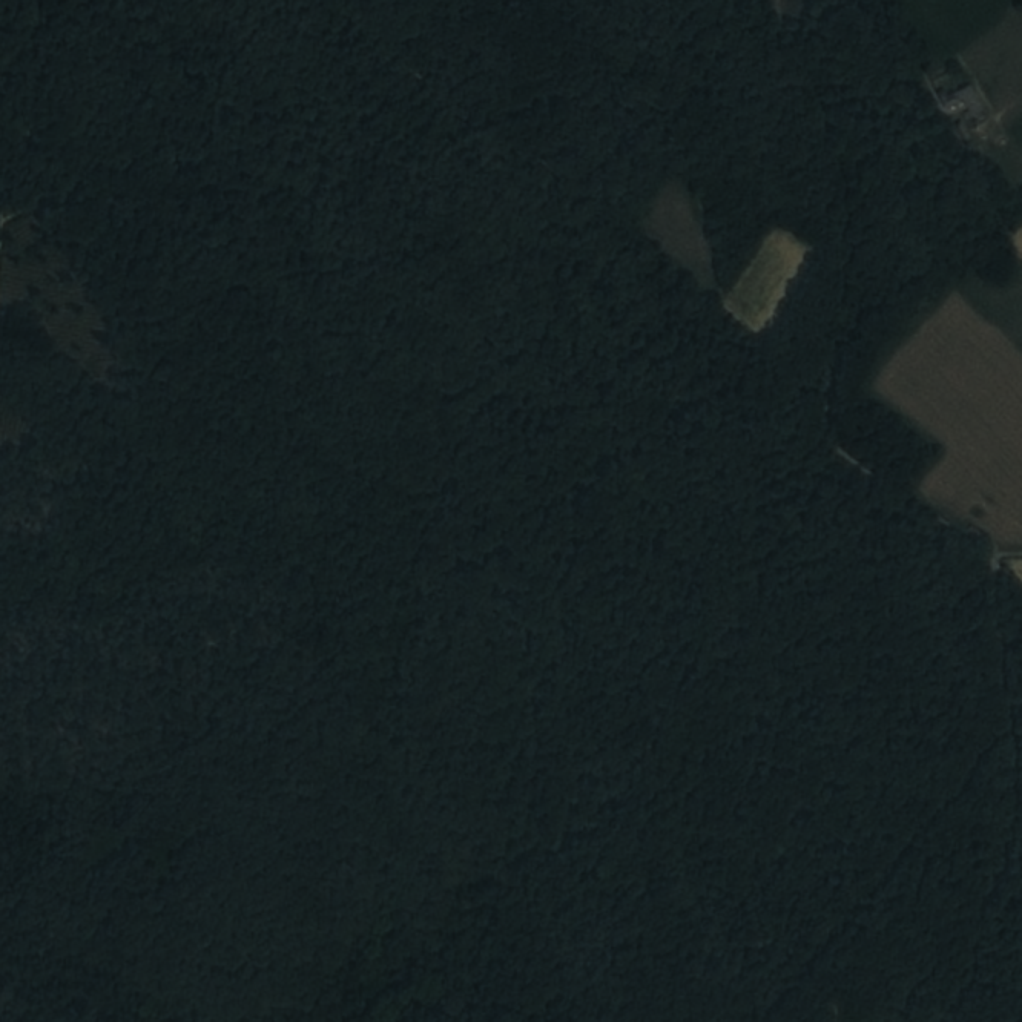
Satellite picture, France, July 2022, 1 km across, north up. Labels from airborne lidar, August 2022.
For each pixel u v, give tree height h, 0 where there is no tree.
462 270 22
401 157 16
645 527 26
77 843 21
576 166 25
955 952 26
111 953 28
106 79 26
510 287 27
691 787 23
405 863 32
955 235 26
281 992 29
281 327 25
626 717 24
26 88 27
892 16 19
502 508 30
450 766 25
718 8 29
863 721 26
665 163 21
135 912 16
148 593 17
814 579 21
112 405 27
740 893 28
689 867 24
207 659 21
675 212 0
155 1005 26
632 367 26
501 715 25
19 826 25
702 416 27
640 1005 28
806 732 26
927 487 0
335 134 22
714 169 17
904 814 24
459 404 29
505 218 23
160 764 24
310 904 17
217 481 26
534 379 24
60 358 20
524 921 29
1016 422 0
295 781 16
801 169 18
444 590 24
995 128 0
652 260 8
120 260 24
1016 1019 20
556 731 32
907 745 27
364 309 20
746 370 26
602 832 23
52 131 29
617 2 22
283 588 14
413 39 24
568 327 26
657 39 25
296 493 26
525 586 23
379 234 23
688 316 12
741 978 19
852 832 27
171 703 23
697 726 33
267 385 24
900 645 26
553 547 23
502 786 17
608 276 19
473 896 29
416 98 19
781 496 14
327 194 21
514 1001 27
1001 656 19
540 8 33
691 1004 27
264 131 22
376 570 21
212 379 21
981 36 0
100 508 26
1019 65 0
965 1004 23
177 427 25
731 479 26
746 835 27
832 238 22
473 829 22
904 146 16
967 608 23
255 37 25
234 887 21
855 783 28
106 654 21
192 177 24
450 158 21
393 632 28
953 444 0
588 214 22
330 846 20
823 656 25
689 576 20
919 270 25
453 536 26
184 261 21
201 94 24
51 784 21
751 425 25
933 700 27
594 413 28
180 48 19
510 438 28
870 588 26
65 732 19
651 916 21
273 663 21
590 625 31
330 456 26
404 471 24
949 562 24
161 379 13
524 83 21
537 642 27
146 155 31
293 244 24
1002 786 23
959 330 0
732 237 16
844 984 22
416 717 25
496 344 23
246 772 17
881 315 22
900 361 0
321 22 21
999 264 15
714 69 17
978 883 21
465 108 23
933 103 23
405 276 18
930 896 26
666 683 27
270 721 17
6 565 27
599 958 18
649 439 26
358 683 16
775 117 20
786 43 25
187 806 25
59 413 24
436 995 20
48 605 22
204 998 25
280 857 23
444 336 22
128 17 24
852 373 29
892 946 28
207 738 27
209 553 16
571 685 33
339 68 22
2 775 29
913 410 0
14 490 22
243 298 24
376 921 33
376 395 21
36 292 18
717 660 30
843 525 27
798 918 25
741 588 27
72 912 21
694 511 24
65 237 22
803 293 24
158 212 27
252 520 21
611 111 23
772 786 26
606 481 27
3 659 16
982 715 23
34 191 26
